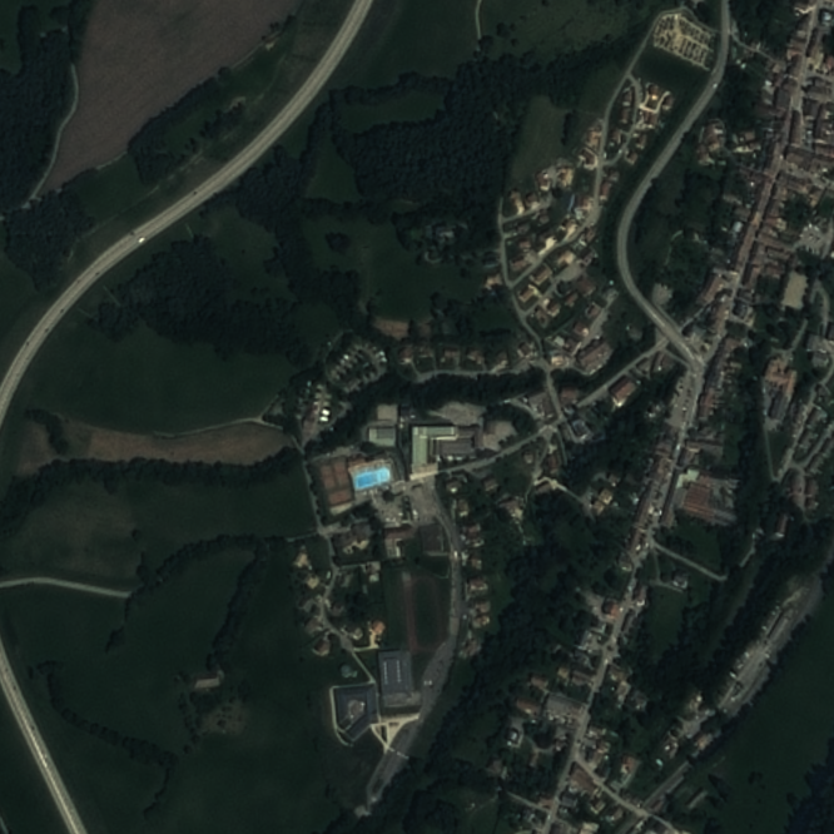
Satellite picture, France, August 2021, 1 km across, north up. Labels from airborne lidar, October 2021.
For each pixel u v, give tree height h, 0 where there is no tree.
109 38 0
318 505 5
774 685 8
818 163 0
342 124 19
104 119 0
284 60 0
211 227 0
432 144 27
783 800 0
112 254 0
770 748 0
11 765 0
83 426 0
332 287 27
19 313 0
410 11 0
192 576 0
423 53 0
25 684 0
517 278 0
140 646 0
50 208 16
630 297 7
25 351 0
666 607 0
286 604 0
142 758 15
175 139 0
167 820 0
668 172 0
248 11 0
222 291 18
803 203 8
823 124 0
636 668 13
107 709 0
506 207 0
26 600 0
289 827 0
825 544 24
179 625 0
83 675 0
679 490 0
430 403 19
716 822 18
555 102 12
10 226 13
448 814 22
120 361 0
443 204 9
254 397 0
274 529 0
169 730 0
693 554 24
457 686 0
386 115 0
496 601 0
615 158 0
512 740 0
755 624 25
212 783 0
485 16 0
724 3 0
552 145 0
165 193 0
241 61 0
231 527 0
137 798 0
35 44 22
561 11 0
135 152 13
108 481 16
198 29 0
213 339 18
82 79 0
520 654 18
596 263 10
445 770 17
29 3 0
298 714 0
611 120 0
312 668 0
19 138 14
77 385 0
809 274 14
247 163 0
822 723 0
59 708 13
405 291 0
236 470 18
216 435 0
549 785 20
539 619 23
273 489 0
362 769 0
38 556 0
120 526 0
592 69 19
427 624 0
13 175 15
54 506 0
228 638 20
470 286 0
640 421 17
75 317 0
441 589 0
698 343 0
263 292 7
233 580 0
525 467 0
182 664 0
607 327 0
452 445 0
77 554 0
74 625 0
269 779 0
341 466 0
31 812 0
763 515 12
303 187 23
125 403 0
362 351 8
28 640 0
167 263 10
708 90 0
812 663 0
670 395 12
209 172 0
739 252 0
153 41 0
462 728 27
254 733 0
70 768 0
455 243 5
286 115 0
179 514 0
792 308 0
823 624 0
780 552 20
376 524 14
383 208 24
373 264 0
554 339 0
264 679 0
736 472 14
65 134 0
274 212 27
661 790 0
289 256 18
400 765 0
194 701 9
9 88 20
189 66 0
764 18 17
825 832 27
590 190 0
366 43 0
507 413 16
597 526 10
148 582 14
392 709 0
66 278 0
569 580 20
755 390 17
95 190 0
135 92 0
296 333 17
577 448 22
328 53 0
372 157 36
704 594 0
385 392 17
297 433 18
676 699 17
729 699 0
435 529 0
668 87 0
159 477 24
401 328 0
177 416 0
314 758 0
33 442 0
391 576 0
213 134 20
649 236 15
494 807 0
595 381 10
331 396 0
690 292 7
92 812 0
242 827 0
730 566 11
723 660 18
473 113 32
